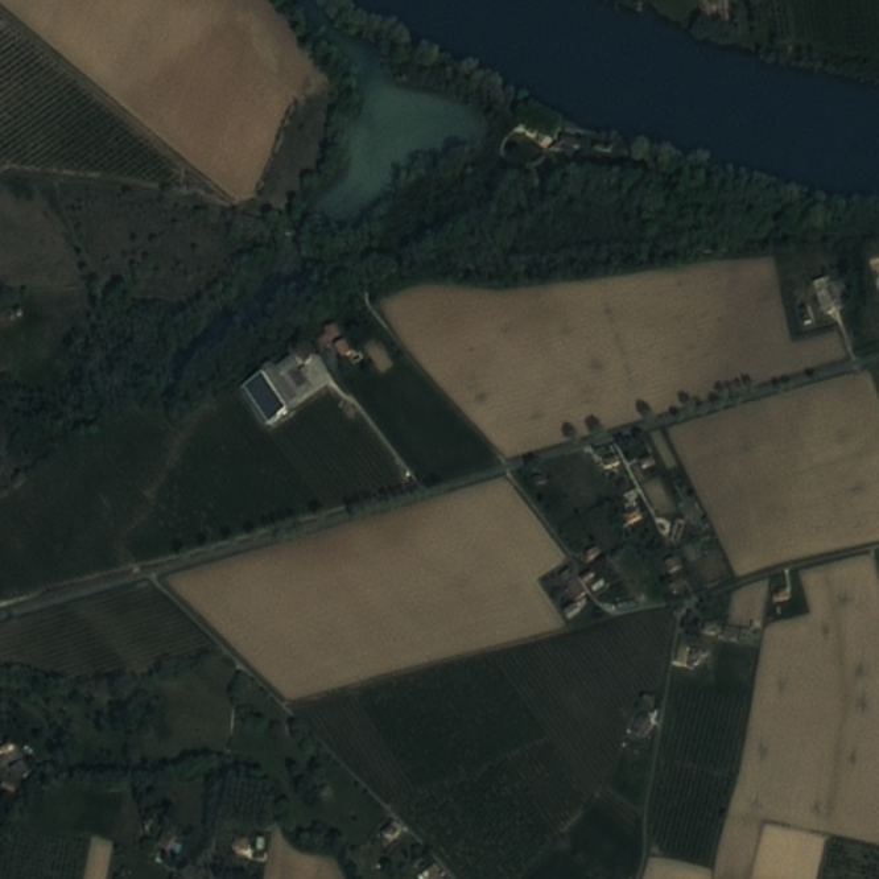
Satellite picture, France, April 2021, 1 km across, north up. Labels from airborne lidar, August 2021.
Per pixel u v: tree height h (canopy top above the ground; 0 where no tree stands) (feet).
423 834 0
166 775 56
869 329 0
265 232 64
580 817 0
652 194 78
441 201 33
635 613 0
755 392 45
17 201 0
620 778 0
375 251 31
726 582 0
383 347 0
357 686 0
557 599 44
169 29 0
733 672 0
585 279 54
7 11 0
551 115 58
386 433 0
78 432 48
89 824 0
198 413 43
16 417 42
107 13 0
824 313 0
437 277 53
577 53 0
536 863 0
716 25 61
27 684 63
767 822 0
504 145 0
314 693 0
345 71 18
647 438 47
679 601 47
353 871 35
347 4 58
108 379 91
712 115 0
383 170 0
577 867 0
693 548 0
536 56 0
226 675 0
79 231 26
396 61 81
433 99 0
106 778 60
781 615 0
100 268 0
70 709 58
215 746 0
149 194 0
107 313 82
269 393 0
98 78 0
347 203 0
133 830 0
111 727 59
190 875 77
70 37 0
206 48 0
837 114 0
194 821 0
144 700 65
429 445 0
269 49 0
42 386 0
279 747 0
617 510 25
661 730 0
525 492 0
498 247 52
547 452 0
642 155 103
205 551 61
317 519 72
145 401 101
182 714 0
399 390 0
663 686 0
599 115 0
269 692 21
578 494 0
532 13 0
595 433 73
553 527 0
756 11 37
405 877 26
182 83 0
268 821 91
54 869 17
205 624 0
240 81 0
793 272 0
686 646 0
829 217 77
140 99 0
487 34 0
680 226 46
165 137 0
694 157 55
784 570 0
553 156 0
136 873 0
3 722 34
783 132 0
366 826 0
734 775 30
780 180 39
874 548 0
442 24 0
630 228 59
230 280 60
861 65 20
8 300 57
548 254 43
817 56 46
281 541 79
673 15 0
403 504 80
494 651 0
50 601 0
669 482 0
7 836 76
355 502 0
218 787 72
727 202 71
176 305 20
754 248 58
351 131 0
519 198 75
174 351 79
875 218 57
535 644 0
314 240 70
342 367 31
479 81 73
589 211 54
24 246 0
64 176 0
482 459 0
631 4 31
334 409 0
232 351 122
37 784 21
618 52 0
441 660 0
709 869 0
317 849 39
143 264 26
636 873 0
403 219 22
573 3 0
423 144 0
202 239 0
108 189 0
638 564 0
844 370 0
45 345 0
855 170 0
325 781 41
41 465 23
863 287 23
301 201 52
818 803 0
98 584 0
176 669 64
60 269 0
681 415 46
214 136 0
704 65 0
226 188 0
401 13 0
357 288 72
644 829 0
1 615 0
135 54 0
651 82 0
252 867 29
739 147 0
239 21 0
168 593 0
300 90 0
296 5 29
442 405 0
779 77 0
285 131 21
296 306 105
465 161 80
